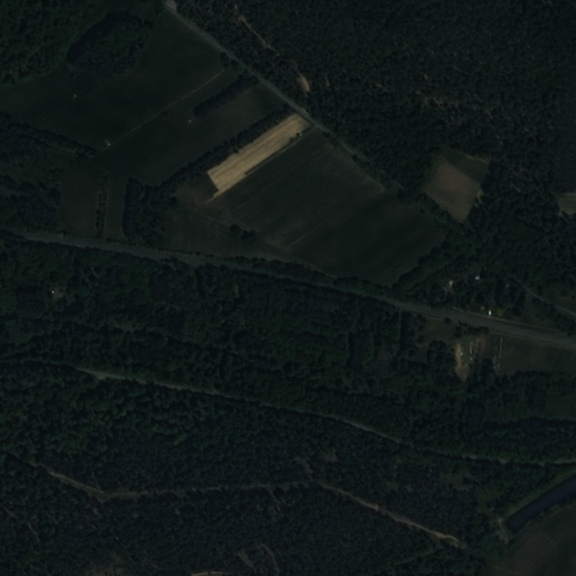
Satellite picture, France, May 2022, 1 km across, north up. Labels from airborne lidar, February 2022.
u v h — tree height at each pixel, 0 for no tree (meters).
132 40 20
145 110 0
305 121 0
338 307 24
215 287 24
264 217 0
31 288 7
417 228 0
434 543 14
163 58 0
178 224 0
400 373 18
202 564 28
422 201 25
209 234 0
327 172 0
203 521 26
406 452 22
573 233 13
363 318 21
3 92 0
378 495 29
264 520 28
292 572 34
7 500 23
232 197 0
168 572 23
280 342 18
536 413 0
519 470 22
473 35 26
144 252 0
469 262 10
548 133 30
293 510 32
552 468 19
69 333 24
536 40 24
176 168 0
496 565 0
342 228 0
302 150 0
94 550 31
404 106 28
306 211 0
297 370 18
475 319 0
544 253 29
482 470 20
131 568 26
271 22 23
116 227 0
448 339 0
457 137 27
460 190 0
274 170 0
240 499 30
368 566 28
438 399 17
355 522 31
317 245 0
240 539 31
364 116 26
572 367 0
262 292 25
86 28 0
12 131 16
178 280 20
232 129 0
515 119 28
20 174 0
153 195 22
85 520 31
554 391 17
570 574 0
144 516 15
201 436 27
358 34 23
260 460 30
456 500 27
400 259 0
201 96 0
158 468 34
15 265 31
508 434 24
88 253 21
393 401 11
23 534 23
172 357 28
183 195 0
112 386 16
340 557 30
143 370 33
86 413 36
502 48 24
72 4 30
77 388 30
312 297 25
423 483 27
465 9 25
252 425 25
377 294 17
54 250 23
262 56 23
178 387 0
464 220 0
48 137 15
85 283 29
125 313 13
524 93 23
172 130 0
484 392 22
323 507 26
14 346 18
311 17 25
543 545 0
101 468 15
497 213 32
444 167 0
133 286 22
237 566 32
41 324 25
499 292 23
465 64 26
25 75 26
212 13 30
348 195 0
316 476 26
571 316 0
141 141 0
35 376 26
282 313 21
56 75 0
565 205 0
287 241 0
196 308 23
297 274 18
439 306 17
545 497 0
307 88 0
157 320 8
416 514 25
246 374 34
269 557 24
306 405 23
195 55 0
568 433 23
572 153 20
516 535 0
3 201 24
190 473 32
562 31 23
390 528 28
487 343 0
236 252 0
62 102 0
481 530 18
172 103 0
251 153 0
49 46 22
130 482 25
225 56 12
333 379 6
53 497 27
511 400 25
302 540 30
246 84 17
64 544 33
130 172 0
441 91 28
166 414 31
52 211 20
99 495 0
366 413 22
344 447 28
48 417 30
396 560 25
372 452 24
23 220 22
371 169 17
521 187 30
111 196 0
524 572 0
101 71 25
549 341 0
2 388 17
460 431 22
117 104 0
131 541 24
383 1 23
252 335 18
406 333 23
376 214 0
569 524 0
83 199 0
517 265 24
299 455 29
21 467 27
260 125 9
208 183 0
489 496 0
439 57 23
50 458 28
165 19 0
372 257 0
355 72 30
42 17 28
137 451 25
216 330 20
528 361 0
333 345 23
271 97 0
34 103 0
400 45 28
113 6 0
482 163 0
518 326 0
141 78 0
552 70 19
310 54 29
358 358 25
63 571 29
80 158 20
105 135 0
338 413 22
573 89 24
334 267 0
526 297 0
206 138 0
